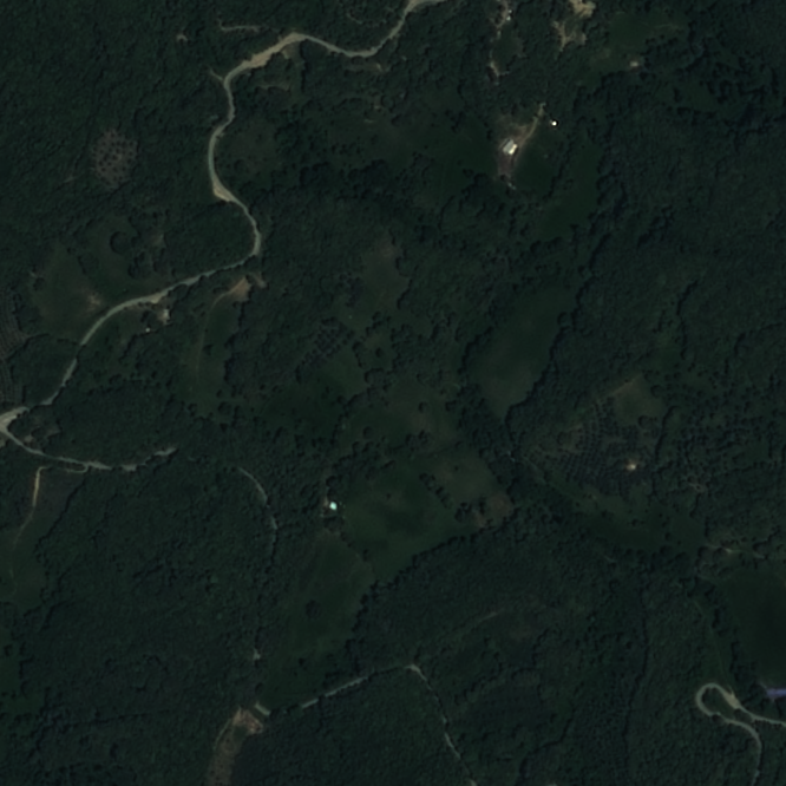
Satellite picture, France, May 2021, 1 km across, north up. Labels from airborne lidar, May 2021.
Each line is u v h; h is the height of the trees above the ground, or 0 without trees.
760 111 18
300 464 24
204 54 18
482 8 12
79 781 14
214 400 0
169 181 13
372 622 12
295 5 9
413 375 11
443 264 13
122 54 12
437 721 13
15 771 8
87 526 11
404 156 0
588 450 7
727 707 0
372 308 0
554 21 13
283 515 18
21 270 8
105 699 18
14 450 13
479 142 0
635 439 8
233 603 15
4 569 0
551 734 14
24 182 9
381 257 0
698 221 15
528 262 20
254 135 0
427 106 8
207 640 12
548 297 0
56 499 0
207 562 15
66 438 13
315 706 6
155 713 13
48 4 11
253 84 17
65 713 18
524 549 16
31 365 13
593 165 0
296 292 19
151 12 10
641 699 13
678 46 23
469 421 18
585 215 0
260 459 18
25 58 7
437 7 11
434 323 11
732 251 14
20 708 0
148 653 22
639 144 14
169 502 15
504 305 20
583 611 19
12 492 11
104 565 14
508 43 0
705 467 6
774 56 18
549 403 17
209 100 18
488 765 14
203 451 18
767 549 14
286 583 16
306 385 16
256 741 8
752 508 15
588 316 18
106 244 0
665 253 17
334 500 9
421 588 12
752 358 17
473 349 20
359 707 10
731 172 21
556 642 13
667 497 13
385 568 0
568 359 15
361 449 13
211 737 9
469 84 13
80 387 11
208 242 10
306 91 13
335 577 0
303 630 0
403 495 0
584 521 16
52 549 10
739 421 9
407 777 6
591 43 15
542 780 19
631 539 0
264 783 10
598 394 12
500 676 13
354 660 9
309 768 7
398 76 14
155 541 14
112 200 16
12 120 8
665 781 10
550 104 14
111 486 17
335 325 14
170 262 13
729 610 17
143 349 13
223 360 0
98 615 18
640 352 13
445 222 13
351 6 9
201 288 15
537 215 14
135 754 16
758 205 18
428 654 10
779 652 0
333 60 13
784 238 19
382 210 19
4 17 9
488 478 0
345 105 10
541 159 0
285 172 8
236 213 16
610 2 16
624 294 11
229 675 15
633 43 0
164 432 16
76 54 14
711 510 14
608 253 21
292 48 0
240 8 7
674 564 20
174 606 16
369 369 11
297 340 16
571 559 7
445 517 0
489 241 17
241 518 7
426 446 16
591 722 10
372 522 0
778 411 9
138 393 18
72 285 0
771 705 22
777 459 10
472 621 12
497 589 12
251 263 14
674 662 12
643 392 0
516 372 0
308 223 13
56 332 0
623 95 9
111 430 10
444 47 9
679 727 13
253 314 15
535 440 19
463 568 13
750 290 14
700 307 15
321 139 12
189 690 11
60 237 13
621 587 15
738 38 18
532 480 15
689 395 6
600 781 9
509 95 12
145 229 13
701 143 18
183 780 13
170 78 12
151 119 16
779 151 14
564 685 19
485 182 22
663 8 19
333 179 23
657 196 19
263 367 12
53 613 13
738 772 12
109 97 12
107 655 20
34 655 12
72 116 7
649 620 9
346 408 9
